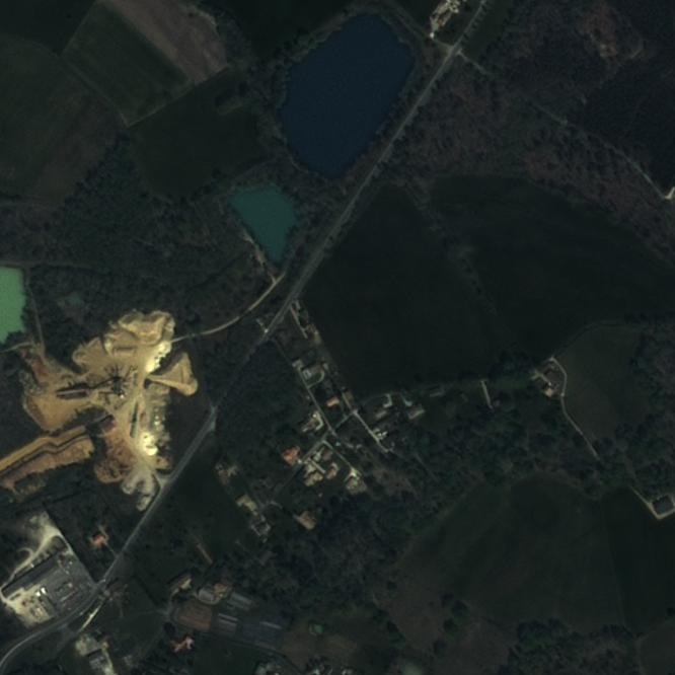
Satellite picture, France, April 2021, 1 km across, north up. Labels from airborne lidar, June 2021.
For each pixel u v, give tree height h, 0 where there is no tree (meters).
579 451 16
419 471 18
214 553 0
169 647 6
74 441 0
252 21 0
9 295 0
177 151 0
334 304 0
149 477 0
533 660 15
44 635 0
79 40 0
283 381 20
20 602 0
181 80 0
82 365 0
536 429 0
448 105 6
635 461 15
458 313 0
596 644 13
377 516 14
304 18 0
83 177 0
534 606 0
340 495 9
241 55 22
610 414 0
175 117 0
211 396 12
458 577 0
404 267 0
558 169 9
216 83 0
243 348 16
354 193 12
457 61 11
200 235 16
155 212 16
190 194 0
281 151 16
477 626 0
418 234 0
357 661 0
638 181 7
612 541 0
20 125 0
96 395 0
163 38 0
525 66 19
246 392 22
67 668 0
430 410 0
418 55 12
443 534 0
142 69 0
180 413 0
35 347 0
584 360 0
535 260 0
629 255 0
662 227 22
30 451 0
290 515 7
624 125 15
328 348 0
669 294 0
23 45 0
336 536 13
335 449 16
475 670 0
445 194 0
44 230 9
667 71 11
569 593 0
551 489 0
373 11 17
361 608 17
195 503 0
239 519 0
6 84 0
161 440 0
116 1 0
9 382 7
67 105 0
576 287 0
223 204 17
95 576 14
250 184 13
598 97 14
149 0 0
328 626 15
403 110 12
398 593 13
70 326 9
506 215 0
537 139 8
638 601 0
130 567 0
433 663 13
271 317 9
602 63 20
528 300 0
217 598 0
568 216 0
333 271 0
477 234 0
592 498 14
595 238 0
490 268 0
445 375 0
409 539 21
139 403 0
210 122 0
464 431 11
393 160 9
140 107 0
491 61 17
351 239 0
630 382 0
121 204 19
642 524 0
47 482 8
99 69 0
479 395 0
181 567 0
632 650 17
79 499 17
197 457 0
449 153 12
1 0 0
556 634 20
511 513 0
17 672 6
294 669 0
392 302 0
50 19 0
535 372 20
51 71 0
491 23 0
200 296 23
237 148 0
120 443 0
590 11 15
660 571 0
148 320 0
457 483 13
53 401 0
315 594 20
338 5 0
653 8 14
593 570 0
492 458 12
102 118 0
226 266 18
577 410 0
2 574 13
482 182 0
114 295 17
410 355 0
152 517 0
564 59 22
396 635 20
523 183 0
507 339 0
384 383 0
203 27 0
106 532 6
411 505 17
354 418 19
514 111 15
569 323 0
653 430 21
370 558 14
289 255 14
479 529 0
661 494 16
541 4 12
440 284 0
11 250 9
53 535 0
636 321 17
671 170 11
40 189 0
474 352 0
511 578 0
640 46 16
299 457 8
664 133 10
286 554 15
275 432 9
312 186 13
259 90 13
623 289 0
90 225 20
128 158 16
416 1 0
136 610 0
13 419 10
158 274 15
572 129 7
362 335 0
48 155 0
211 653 0
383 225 0
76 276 16
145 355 0
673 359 12
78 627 0
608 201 18
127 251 18
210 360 15
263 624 0
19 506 6
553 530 0
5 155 0
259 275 0
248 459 8
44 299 11
